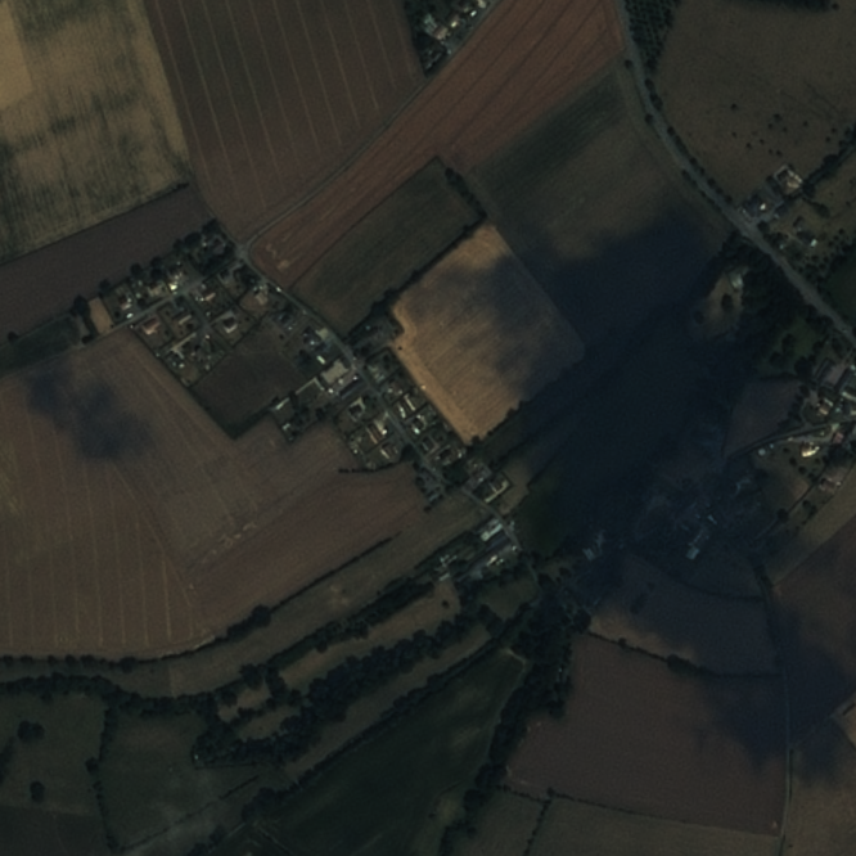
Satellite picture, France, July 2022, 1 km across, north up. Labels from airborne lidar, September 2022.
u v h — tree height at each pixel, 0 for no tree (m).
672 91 0
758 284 28
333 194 0
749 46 0
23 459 0
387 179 0
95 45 0
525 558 15
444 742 0
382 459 0
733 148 0
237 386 0
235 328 0
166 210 0
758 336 20
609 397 0
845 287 0
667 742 0
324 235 0
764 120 0
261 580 0
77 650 0
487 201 0
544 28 0
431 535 0
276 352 0
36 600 0
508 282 0
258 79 0
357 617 6
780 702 0
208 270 10
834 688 0
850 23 0
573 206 0
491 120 0
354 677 9
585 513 8
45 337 0
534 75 0
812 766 0
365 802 0
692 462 0
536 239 0
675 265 0
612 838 0
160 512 0
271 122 0
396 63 0
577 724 0
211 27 0
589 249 0
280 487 0
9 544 0
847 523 0
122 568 0
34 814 0
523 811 0
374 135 0
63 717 0
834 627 0
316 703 28
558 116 0
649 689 0
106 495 0
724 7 0
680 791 0
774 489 0
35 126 0
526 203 0
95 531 0
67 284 0
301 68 0
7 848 0
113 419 0
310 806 0
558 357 0
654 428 0
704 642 0
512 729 19
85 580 0
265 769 0
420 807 0
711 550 0
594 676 0
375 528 0
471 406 0
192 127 0
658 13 6
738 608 0
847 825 0
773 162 0
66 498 0
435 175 0
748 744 0
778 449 0
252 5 0
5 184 0
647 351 0
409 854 0
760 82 0
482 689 0
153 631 0
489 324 0
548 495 0
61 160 0
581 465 0
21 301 0
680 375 0
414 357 0
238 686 10
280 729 0
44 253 0
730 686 0
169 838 0
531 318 0
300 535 0
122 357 0
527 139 0
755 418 0
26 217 0
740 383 20
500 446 0
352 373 0
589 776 0
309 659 0
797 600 0
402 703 14
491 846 0
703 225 0
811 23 0
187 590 0
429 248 0
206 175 0
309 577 0
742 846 0
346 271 0
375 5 0
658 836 0
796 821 0
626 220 0
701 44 0
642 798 0
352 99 0
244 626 14
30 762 0
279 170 0
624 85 0
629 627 0
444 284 0
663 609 0
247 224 0
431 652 17
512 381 0
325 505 0
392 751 0
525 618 9
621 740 0
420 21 8
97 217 0
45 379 0
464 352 0
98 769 17
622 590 0
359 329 7
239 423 0
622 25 0
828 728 0
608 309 0
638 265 0
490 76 0
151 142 0
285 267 0
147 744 0
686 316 14
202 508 0
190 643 0
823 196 0
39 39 0
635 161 0
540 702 16
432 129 0
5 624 0
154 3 0
